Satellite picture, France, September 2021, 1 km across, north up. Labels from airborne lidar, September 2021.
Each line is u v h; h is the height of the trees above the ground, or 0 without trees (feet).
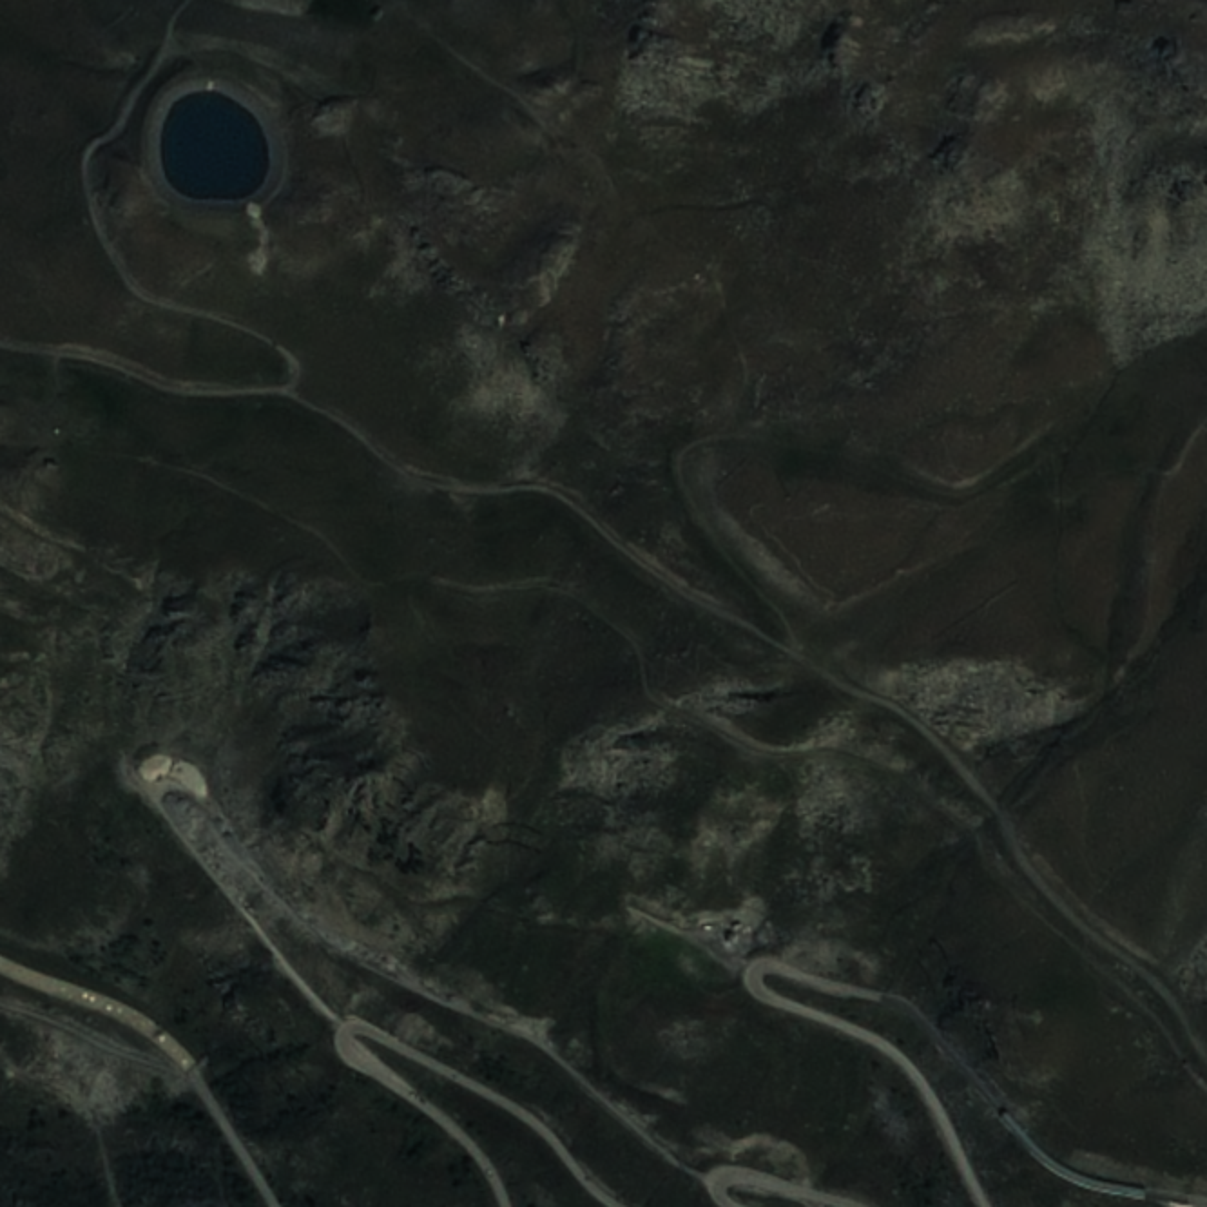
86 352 0
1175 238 0
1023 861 0
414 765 0
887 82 0
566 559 0
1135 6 0
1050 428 0
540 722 0
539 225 0
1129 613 0
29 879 0
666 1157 0
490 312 0
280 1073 0
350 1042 0
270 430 0
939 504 0
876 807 0
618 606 0
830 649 0
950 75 0
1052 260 0
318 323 0
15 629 0
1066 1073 0
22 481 0
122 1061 0
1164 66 0
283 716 0
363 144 0
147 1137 0
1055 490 0
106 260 0
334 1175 0
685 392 0
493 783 0
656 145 0
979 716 0
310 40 0
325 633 0
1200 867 0
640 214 0
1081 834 0
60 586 0
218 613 0
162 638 0
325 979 0
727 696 0
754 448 0
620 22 0
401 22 0
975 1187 0
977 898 0
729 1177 0
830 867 0
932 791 0
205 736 0
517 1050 0
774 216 0
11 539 0
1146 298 0
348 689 0
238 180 0
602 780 0
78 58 0
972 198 0
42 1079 0
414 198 0
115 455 0
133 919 0
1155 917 0
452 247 0
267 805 0
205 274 0
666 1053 0
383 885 0
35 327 0
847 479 0
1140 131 0
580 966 0
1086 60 0
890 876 0
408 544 0
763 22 0
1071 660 0
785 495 0
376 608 0
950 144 0
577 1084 0
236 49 0
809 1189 0
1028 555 0
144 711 0
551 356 0
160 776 0
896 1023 0
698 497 0
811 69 0
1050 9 0
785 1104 0
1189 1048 0
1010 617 0
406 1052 0
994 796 0
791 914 0
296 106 0
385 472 0
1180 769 0
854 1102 0
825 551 0
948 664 0
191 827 0
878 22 0
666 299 0
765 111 0
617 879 0
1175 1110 0
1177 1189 0
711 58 0
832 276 0
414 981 0
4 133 0
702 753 0
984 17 0
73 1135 0
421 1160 28
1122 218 0
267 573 0
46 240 0
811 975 0
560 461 0
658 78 0
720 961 0
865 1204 0
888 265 0
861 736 0
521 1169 0
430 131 0
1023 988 0
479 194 0
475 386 0
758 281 0
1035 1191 0
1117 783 0
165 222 0
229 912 0
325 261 0
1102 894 0
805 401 0
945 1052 0
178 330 0
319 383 0
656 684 0
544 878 0
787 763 0
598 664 0
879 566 0
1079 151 0
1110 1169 0
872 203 0
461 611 0
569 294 0
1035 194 0
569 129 0
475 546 0
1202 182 0
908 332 0
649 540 0
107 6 0
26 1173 0
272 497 0
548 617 0
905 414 0
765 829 0
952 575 0
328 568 0
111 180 0
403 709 0
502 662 0
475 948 0
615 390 0
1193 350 0
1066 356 0
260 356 0
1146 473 0
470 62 0
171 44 0
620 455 0
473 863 0
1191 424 0
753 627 0
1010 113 0
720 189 0
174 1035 0
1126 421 0
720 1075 0
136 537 0
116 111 0
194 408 0
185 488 0
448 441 0
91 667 0
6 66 0
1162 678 0
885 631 0
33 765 0
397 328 0
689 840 0
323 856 0
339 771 0
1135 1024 0
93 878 0
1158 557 0
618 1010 0
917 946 0
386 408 0
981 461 0
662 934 0
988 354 0
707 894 0
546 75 0
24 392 0
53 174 0
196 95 0
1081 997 0
